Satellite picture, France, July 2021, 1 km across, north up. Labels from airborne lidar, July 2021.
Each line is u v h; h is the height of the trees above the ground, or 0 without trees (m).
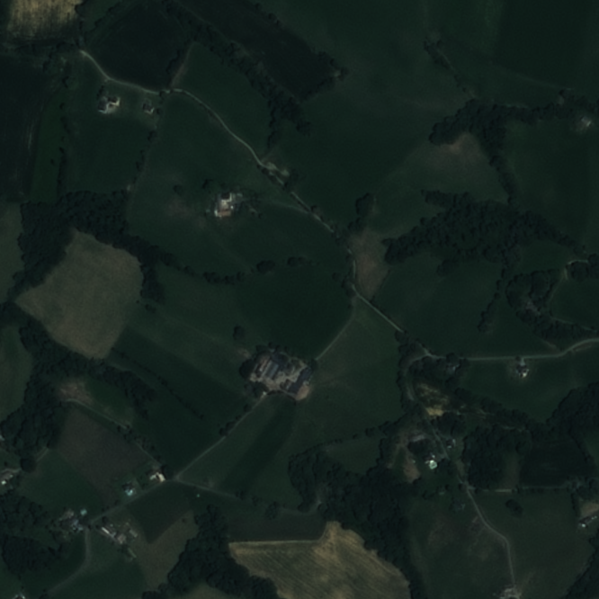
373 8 0
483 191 0
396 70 0
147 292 11
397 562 24
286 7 0
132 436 15
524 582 0
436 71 0
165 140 0
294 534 0
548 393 0
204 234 0
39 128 0
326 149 0
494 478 25
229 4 0
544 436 20
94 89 0
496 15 0
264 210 0
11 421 17
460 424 21
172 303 0
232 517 0
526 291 11
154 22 0
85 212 28
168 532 0
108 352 0
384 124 0
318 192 0
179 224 0
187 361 0
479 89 0
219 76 0
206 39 8
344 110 0
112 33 0
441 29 0
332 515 20
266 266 18
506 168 9
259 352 8
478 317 0
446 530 0
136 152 0
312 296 0
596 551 8
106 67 0
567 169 0
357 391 0
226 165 0
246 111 0
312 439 0
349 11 0
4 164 0
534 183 0
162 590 14
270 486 0
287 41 0
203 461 0
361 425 0
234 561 15
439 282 0
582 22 0
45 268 23
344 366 0
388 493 29
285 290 0
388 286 0
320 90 10
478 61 0
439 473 12
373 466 0
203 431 0
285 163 0
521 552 0
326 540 0
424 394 0
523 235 25
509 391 0
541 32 0
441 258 0
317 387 0
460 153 0
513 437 21
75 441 0
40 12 0
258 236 0
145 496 0
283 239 0
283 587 0
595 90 0
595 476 0
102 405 0
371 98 0
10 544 31
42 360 18
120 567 0
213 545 12
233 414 0
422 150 0
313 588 0
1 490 0
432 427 8
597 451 0
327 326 0
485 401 14
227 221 0
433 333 0
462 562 0
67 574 0
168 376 0
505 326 0
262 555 0
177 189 13
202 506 0
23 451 14
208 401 0
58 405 12
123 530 0
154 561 0
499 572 0
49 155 0
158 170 0
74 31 0
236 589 13
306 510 16
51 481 0
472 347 0
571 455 0
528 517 0
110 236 26
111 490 0
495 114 25
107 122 0
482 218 6
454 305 0
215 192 25
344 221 0
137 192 0
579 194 0
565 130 0
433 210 0
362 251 0
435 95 0
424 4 0
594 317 0
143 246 28
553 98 0
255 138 0
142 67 0
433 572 0
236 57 19
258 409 0
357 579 0
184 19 19
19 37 0
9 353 0
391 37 0
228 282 14
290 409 0
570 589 7
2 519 17
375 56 0
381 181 0
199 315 0
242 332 18
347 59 0
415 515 0
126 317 0
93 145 0
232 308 0
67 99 0
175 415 0
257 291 0
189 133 0
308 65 0
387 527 22
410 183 0
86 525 9
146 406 7
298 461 16
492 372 0
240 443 0
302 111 15
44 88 0
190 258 0
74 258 0
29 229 19
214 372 0
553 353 0
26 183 0
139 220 0
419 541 0
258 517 0
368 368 0
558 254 0
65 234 21
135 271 0
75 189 0
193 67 0
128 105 0
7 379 0
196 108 0
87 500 0
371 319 0
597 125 0
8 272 0
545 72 0
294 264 16
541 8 0
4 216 0
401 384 16
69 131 8
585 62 0
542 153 0
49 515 13
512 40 0
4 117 0
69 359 18
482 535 0
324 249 0
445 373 7
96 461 0
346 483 21
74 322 0
